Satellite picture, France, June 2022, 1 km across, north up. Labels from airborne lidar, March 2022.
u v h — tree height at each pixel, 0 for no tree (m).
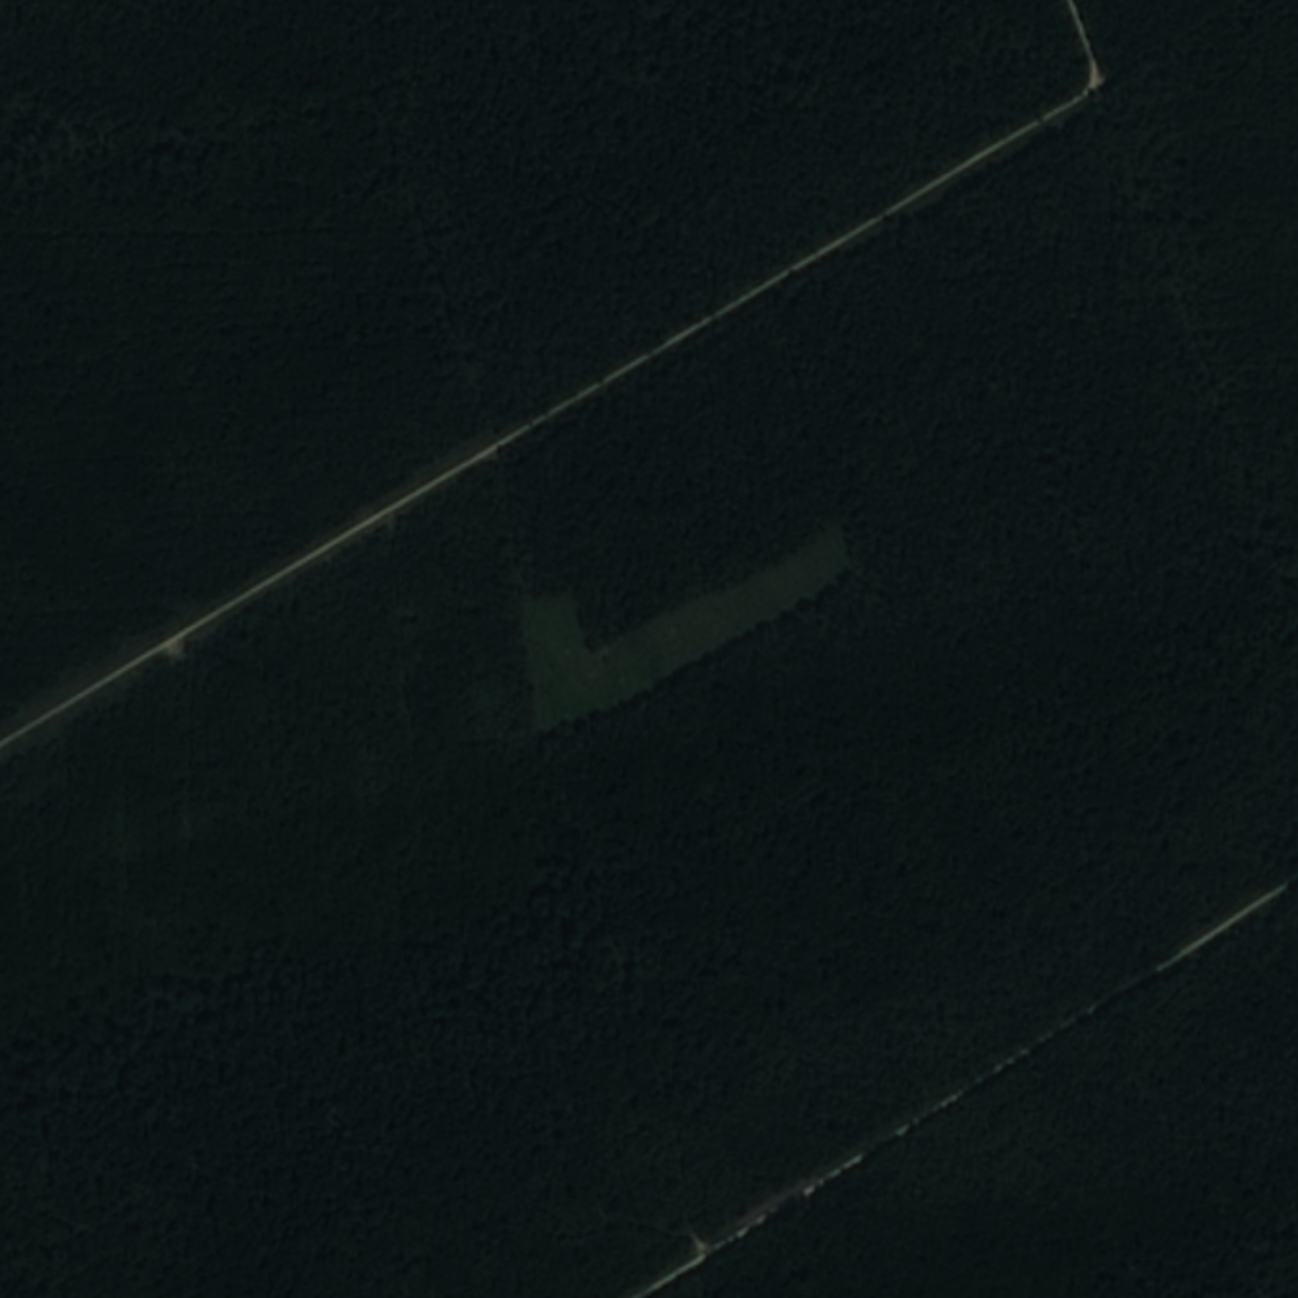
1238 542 15
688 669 8
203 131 0
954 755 18
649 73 20
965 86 16
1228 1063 12
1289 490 8
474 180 18
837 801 11
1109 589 14
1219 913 7
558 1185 9
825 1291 12
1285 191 7
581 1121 7
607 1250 11
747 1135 11
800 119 18
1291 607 17
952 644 9
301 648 10
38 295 9
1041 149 16
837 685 12
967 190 14
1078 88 15
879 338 12
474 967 20
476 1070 16
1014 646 15
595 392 0
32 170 22
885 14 18
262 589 0
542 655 0
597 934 23
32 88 18
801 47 21
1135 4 0
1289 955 13
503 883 11
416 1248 7
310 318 9
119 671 0
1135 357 15
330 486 6
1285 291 5
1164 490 14
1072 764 17
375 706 7
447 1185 14
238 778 9
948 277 0
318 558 0
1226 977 9
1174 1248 18
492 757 7
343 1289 11
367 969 17
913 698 15
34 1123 21
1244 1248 23
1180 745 15
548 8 20
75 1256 19
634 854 21
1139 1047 11
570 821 10
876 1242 10
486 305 19
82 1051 22
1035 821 14
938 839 16
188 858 0
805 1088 8
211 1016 20
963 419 14
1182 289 11
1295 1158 13
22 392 7
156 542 6
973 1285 16
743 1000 11
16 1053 7
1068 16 11
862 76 18
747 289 10
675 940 14
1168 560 13
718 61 15
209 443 6
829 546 0
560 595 13
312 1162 19
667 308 16
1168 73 20
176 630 0
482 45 19
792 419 14
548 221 21
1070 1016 8
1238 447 13
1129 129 17
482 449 0
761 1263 10
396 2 18
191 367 9
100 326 9
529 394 16
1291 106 7
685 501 14
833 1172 0
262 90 16
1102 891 13
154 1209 11
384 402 6
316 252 6
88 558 6
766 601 0
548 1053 16
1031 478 15
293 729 9
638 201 19
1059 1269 15
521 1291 10
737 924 15
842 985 11
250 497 6
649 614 11
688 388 15
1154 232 15
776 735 17
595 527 16
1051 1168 8
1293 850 15
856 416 15
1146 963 15
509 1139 12
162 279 7
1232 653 21
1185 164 17
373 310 11
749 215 0
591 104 21
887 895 15
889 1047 13
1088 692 15
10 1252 14
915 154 14
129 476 8
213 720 6
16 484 7
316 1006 20
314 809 6
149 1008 22
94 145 25
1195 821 11
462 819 13
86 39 12
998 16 11
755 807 20
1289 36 9
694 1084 14
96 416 7
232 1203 0
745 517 17
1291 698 6
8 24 14
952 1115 10
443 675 9
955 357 15
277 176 11
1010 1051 12
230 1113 0
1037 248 10
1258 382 8
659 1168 7
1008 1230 10
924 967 9
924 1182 9
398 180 15
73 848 0
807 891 12
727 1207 7
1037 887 14
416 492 0
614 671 0
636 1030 11
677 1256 7
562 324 19
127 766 6
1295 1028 15
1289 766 9
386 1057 18
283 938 13
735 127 14
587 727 13
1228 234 7
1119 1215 13
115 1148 0
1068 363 15
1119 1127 11
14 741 0
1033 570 12
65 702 0
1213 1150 8
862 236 0
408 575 6
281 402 6
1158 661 17
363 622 7
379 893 9
